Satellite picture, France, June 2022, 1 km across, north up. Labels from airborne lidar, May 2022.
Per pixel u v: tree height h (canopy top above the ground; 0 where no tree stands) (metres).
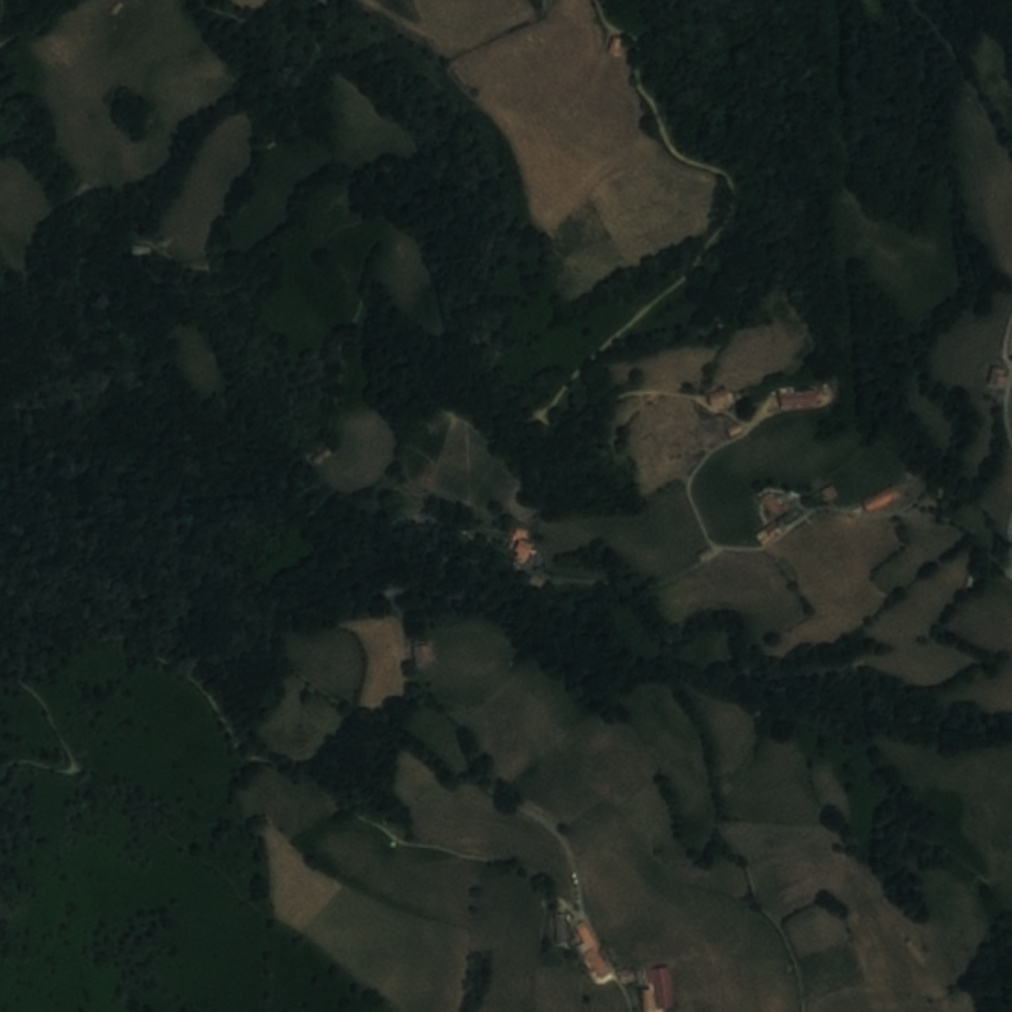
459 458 0
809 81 16
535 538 7
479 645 0
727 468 0
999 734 25
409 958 0
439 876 0
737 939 0
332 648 0
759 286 12
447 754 0
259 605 17
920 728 23
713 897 0
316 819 0
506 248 11
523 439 21
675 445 0
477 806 0
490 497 0
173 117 0
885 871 20
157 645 12
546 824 0
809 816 0
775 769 0
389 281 0
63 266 26
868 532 0
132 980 10
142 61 0
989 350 0
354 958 0
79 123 0
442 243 26
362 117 0
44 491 25
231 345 14
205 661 11
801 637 0
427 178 21
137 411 20
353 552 21
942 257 0
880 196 24
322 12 20
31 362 16
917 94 24
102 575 14
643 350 16
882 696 14
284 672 12
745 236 9
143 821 11
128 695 9
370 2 0
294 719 0
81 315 11
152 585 18
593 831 0
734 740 0
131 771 0
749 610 0
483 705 0
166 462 22
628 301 16
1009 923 8
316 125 19
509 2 0
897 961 0
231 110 19
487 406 10
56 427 27
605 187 0
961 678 8
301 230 14
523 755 0
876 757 17
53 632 12
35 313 13
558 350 0
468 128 8
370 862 0
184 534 20
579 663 24
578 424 18
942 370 0
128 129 12
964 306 16
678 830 11
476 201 18
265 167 8
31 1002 0
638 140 0
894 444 12
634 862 0
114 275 30
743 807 0
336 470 0
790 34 17
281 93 15
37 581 9
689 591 0
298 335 0
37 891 10
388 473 7
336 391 20
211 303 6
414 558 20
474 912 8
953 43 26
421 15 0
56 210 7
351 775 18
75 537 18
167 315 25
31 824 10
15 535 14
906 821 15
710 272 11
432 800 0
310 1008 10
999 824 0
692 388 7
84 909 0
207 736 0
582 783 0
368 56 13
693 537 0
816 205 15
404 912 0
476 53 0
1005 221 0
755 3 14
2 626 16
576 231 0
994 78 0
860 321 20
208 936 0
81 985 0
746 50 15
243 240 0
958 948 0
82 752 14
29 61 0
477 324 9
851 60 26
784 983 0
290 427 12
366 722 13
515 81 0
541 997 0
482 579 22
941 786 0
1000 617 0
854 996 0
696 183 0
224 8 15
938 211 0
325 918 0
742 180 7
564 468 15
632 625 0
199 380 0
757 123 20
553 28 0
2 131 8
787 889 0
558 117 0
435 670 0
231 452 25
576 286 0
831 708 13
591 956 0
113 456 30
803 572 0
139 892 0
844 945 0
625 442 11
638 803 0
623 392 8
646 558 0
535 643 21
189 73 0
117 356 21
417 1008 0
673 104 19
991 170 0
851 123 15
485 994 11
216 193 0
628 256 0
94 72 0
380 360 24
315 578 13
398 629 0
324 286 0
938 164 18
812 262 19
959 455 8
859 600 0
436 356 21
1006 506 0
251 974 0
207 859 0
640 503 15
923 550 0
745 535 0
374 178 14
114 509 21
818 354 8
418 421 15
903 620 0
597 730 0
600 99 0
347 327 10
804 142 17
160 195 21
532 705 0
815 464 0
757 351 0
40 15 7
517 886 0
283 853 0
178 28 0
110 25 0
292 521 11
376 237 0
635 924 0
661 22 16
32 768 8
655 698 0
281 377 13
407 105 12
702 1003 0
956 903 0
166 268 21
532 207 0
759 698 15
